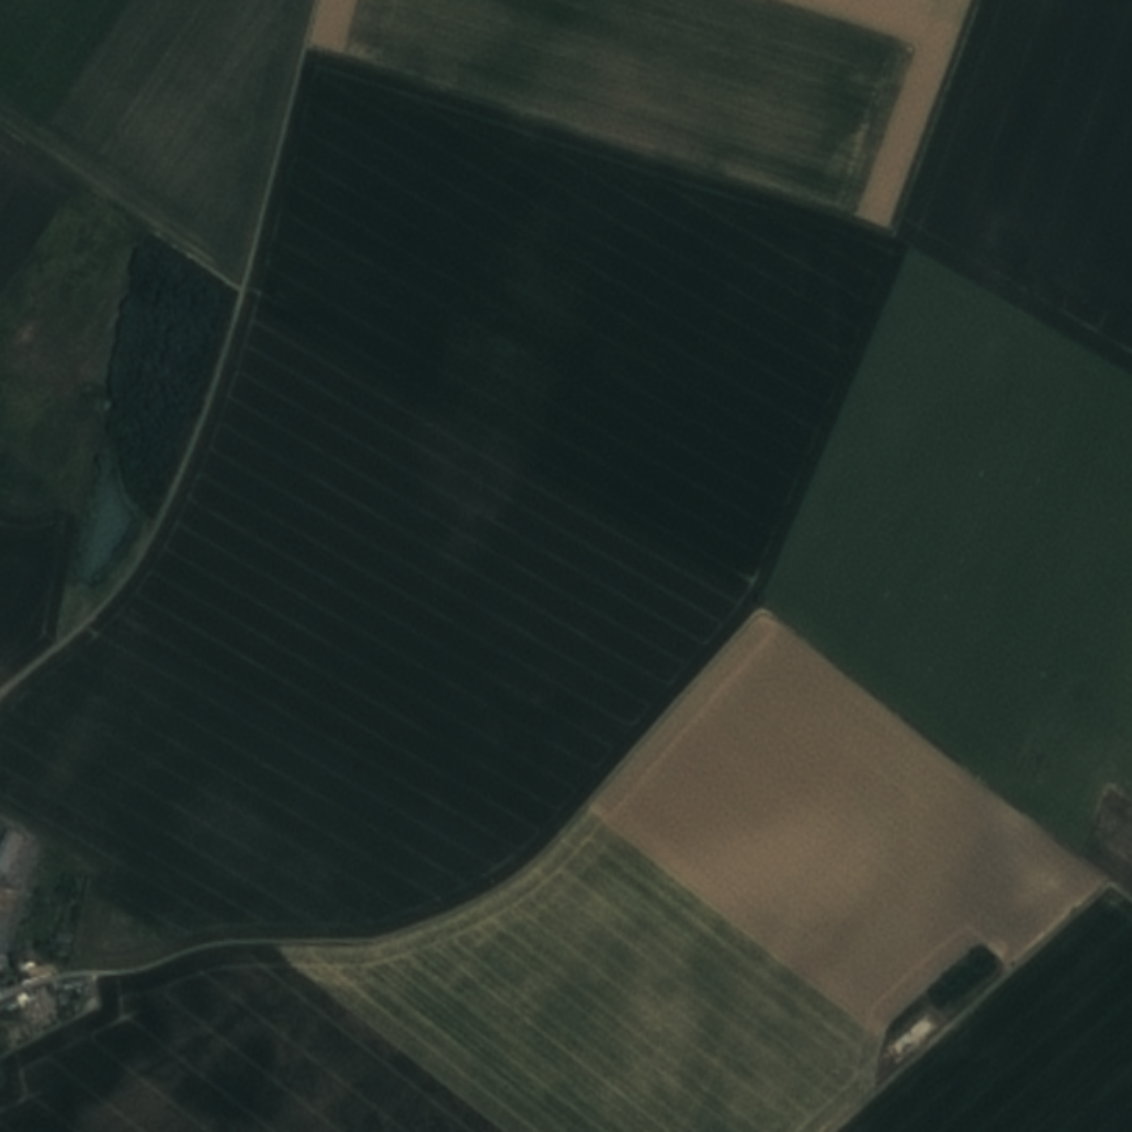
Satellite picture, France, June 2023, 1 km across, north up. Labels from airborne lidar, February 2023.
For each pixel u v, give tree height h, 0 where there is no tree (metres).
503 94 0
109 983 0
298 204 0
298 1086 0
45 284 0
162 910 0
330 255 0
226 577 0
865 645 0
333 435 0
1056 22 0
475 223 0
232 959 0
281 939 0
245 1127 0
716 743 0
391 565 0
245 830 0
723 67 0
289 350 0
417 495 0
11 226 0
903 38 0
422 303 0
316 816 0
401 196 0
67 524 0
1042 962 0
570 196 0
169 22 0
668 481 0
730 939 0
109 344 0
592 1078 0
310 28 0
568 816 0
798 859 0
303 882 0
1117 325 0
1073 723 0
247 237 0
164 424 16
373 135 0
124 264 0
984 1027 0
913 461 0
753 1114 0
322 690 0
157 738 0
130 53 0
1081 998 0
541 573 0
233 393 0
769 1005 0
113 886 0
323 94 0
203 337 17
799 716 0
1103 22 0
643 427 0
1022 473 0
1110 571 0
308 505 0
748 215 0
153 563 0
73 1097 0
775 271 0
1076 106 0
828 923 0
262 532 0
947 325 0
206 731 0
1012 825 0
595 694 0
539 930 0
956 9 0
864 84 0
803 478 0
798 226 0
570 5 0
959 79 0
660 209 0
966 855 0
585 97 0
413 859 0
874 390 0
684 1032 0
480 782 0
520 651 0
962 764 0
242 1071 0
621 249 0
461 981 0
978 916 0
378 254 0
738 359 0
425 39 0
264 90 0
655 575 0
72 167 0
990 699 0
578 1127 0
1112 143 0
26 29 0
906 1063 0
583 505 0
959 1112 0
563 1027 0
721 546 0
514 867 0
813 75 0
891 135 0
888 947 0
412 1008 0
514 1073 0
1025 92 0
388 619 0
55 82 0
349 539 0
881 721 0
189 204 0
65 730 0
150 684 0
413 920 0
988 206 0
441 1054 0
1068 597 0
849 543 0
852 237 0
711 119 0
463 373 0
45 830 0
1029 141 0
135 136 0
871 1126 0
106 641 0
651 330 0
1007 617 0
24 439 0
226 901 0
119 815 0
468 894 0
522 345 0
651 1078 0
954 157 0
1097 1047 0
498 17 0
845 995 0
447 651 0
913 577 0
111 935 0
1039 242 0
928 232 0
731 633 0
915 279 0
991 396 0
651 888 0
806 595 0
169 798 0
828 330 0
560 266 0
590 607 0
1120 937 0
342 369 0
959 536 0
